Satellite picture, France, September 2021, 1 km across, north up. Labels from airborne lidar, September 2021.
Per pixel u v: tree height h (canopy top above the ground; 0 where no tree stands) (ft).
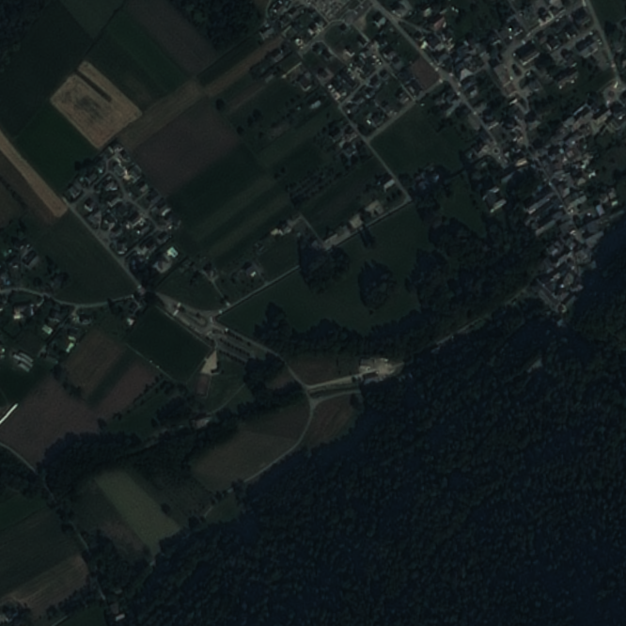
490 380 84
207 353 0
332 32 0
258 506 74
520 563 73
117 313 26
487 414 86
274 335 69
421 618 79
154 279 64
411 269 0
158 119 0
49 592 0
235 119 0
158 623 60
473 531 75
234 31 50
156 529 0
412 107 0
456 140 0
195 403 37
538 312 44
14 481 62
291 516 94
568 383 68
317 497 96
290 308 0
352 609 69
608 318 57
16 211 0
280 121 20
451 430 80
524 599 84
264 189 0
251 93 0
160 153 0
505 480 101
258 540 86
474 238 38
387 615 76
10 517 0
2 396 0
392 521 77
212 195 0
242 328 0
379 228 0
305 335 0
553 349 55
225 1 52
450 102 0
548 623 89
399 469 89
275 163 0
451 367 84
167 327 0
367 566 77
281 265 0
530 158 27
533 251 96
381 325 0
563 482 54
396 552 99
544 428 33
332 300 0
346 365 0
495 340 50
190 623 82
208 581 102
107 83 0
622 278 58
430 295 78
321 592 79
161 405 0
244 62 0
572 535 62
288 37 0
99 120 0
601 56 0
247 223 0
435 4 43
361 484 100
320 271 93
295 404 37
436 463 87
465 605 77
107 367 0
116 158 0
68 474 83
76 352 0
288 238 0
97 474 64
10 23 64
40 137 0
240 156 0
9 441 0
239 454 0
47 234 0
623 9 0
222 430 35
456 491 70
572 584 53
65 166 0
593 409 80
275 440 0
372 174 0
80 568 0
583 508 69
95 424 0
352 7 0
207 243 0
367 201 0
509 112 25
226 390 0
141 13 0
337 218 0
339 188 0
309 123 0
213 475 0
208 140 0
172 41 0
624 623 89
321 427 0
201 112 0
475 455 66
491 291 120
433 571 91
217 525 0
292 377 0
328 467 26
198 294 0
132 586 65
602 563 84
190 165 0
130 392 0
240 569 86
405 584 54
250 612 115
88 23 0
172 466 19
